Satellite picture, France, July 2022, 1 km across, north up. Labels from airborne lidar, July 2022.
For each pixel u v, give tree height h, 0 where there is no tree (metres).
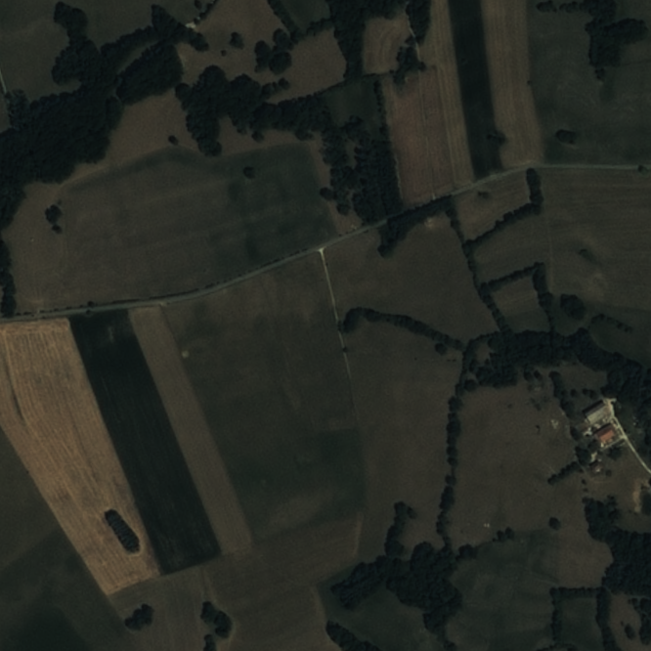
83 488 0
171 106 0
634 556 13
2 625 0
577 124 0
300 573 0
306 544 0
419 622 0
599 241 0
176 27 13
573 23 0
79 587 0
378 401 0
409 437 0
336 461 0
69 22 16
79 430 0
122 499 0
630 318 0
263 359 0
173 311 0
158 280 0
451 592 23
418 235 0
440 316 0
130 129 0
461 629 0
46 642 0
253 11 0
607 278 0
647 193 0
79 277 0
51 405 0
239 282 0
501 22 0
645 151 0
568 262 0
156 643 0
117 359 0
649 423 17
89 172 0
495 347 14
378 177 16
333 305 0
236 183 0
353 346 0
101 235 0
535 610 0
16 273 0
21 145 27
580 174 0
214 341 0
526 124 0
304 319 0
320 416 0
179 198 0
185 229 0
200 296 0
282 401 0
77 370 0
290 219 0
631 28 22
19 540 0
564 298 8
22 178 29
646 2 0
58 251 0
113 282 0
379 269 0
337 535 0
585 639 0
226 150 0
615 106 0
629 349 0
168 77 24
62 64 18
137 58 0
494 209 0
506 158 0
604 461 0
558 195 0
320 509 0
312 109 24
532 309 0
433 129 0
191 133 8
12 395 0
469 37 0
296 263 0
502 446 0
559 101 0
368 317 18
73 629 0
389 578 15
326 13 0
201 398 0
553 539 0
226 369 0
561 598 12
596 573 0
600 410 0
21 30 0
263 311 0
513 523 0
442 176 0
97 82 30
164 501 0
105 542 0
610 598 12
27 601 0
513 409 0
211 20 0
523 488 0
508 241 0
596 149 0
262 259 0
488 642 0
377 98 6
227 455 0
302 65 0
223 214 0
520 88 0
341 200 23
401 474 0
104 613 0
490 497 0
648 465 0
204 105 24
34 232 0
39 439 0
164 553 0
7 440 0
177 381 0
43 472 0
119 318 0
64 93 0
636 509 0
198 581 0
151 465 0
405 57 7
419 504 0
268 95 19
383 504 0
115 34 0
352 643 25
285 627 0
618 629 0
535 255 0
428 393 0
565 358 17
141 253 0
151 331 0
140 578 0
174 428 0
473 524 0
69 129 27
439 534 9
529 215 16
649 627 13
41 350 0
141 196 0
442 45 0
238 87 21
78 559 0
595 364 22
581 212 0
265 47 20
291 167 0
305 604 0
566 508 0
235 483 0
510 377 16
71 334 0
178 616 0
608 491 0
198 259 0
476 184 0
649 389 26
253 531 0
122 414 0
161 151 0
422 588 6
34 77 0
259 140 12
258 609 0
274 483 0
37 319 0
